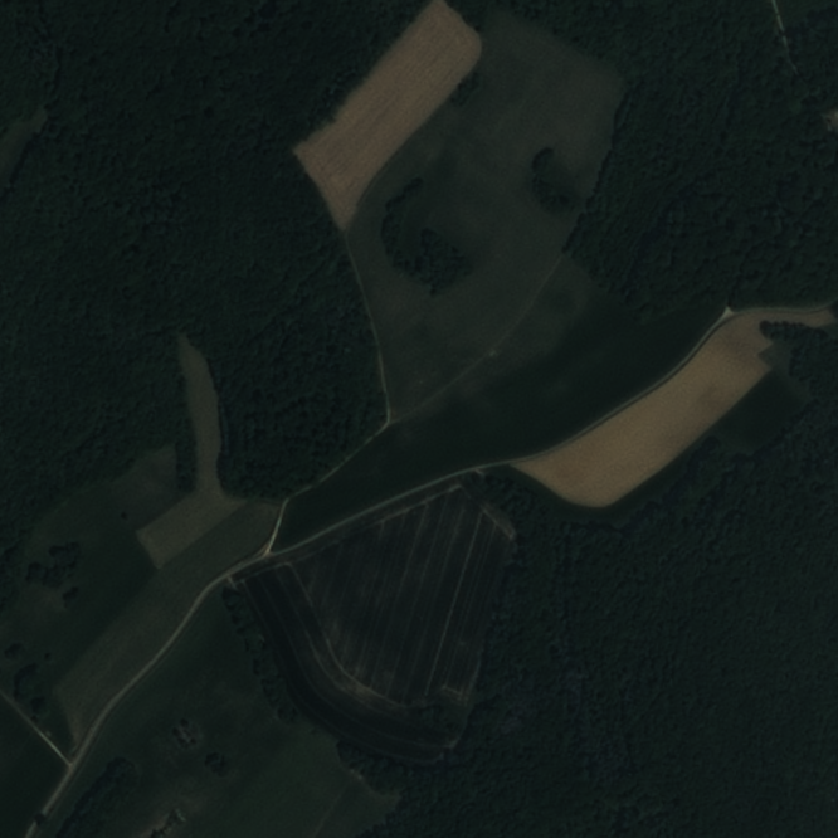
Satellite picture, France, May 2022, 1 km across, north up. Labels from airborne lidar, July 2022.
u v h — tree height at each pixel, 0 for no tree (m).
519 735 23
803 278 27
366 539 0
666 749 22
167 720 0
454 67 0
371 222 0
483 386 0
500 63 0
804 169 27
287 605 0
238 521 0
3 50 19
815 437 21
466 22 13
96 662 0
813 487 13
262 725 0
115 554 0
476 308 0
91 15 30
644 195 14
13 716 0
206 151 23
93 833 16
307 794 0
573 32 8
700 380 0
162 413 18
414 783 19
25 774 0
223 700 0
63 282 20
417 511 0
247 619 17
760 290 26
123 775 17
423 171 0
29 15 14
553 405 0
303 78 27
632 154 19
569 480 0
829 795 19
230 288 21
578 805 21
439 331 0
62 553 15
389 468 0
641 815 18
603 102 0
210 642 0
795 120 27
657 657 22
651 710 20
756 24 22
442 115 0
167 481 0
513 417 0
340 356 22
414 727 0
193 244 26
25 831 0
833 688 21
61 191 15
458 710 0
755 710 20
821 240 28
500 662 22
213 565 0
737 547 23
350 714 0
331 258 15
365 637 0
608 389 0
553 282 0
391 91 0
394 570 0
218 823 0
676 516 24
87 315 28
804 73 22
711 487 7
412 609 0
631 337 0
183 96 28
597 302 0
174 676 0
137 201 32
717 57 19
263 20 29
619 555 24
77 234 20
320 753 0
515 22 0
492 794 19
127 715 0
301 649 0
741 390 0
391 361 0
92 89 22
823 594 22
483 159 0
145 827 0
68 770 0
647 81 15
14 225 15
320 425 12
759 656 21
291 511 0
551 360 0
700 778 21
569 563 25
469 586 0
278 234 17
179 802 0
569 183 0
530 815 21
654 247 32
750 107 25
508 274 0
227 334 24
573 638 24
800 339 14
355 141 0
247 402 23
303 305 22
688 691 22
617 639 21
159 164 33
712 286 24
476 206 0
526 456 0
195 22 27
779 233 27
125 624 0
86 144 25
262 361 24
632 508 0
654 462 0
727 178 9
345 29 24
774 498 24
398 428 0
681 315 0
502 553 0
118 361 24
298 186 23
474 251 0
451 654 0
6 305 15
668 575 22
